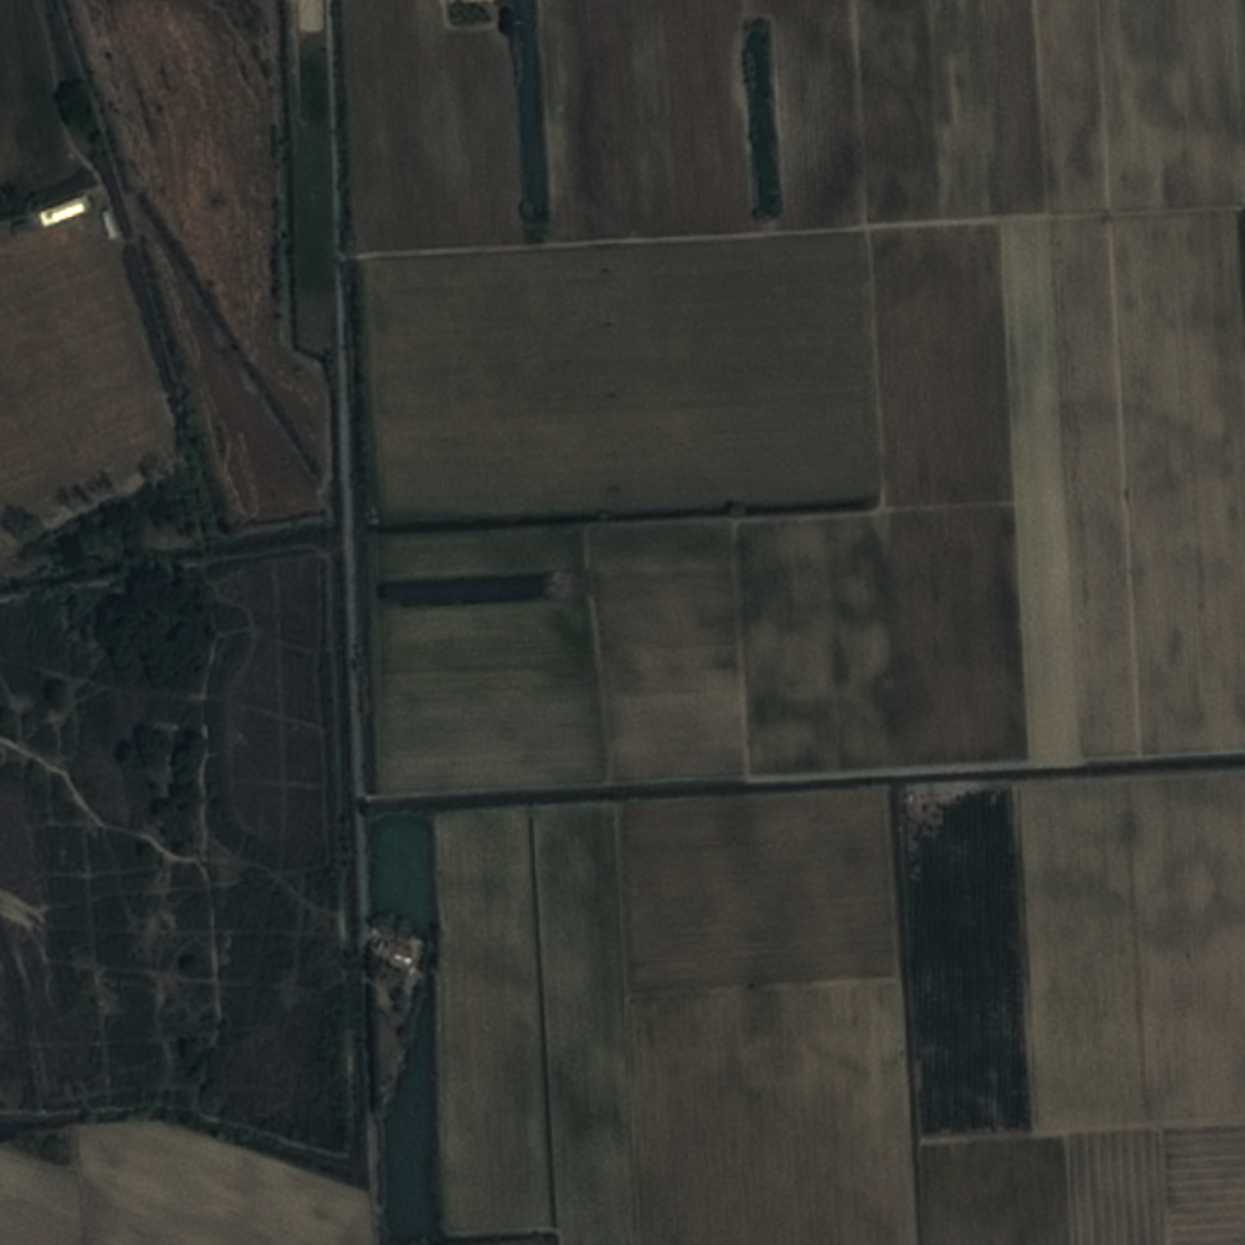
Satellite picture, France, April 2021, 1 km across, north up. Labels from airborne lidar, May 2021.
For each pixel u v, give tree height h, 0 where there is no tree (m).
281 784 0
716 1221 0
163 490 12
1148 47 0
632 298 0
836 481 0
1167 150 0
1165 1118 0
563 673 0
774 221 0
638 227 0
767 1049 0
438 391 0
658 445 0
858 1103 0
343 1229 0
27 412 0
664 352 0
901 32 0
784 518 0
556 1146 0
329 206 0
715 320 0
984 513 0
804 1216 0
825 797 0
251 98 0
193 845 9
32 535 24
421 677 0
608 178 0
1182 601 0
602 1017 0
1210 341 0
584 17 0
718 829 0
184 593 19
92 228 0
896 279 0
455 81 0
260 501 0
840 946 0
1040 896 0
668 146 0
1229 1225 0
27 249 0
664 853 0
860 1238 0
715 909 0
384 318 0
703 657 0
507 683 0
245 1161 0
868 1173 0
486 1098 0
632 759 0
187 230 0
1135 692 0
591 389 0
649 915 0
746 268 0
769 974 0
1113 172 0
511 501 0
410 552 0
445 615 0
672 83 0
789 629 0
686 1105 0
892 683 0
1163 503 0
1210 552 0
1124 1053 0
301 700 0
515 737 0
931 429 0
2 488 0
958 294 0
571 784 0
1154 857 0
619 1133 0
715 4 0
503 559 0
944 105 0
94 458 0
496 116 0
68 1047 0
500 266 0
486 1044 0
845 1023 0
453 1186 0
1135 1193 0
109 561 6
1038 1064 0
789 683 0
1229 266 0
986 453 0
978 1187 0
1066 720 0
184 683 13
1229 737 0
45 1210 0
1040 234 0
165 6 0
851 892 0
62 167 0
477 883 0
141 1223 0
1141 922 0
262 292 0
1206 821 0
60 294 0
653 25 0
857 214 0
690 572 0
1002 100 0
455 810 0
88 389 0
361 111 0
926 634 0
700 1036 0
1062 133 0
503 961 0
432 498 0
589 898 0
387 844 0
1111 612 0
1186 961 0
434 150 0
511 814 0
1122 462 0
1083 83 0
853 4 0
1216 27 0
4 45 0
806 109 0
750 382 0
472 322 0
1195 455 0
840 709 0
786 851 0
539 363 0
